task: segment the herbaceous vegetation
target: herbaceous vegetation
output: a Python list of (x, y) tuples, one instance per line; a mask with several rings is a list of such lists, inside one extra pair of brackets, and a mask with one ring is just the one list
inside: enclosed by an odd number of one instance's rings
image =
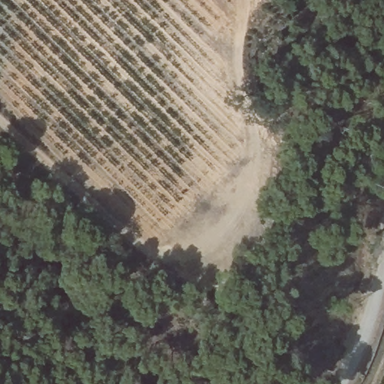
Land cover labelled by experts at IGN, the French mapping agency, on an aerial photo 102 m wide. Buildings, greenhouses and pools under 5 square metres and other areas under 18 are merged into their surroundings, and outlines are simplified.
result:
[(381, 280), (381, 285), (384, 286), (384, 223), (367, 229), (367, 246), (361, 247), (361, 271), (364, 277), (376, 276)]

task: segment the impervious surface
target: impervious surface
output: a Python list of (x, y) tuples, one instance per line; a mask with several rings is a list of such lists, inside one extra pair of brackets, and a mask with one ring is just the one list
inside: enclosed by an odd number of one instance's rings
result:
[(342, 360), (334, 364), (340, 384), (349, 384), (348, 379), (354, 378), (355, 373), (360, 373), (357, 366), (364, 346), (372, 339), (379, 307), (384, 297), (384, 286), (381, 285), (378, 291), (373, 291), (367, 297), (363, 312), (358, 315), (360, 339), (354, 343), (351, 351), (346, 352)]

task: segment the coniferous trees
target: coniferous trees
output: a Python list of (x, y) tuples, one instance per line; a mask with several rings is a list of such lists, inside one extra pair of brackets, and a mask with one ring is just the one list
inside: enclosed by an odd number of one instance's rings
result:
[(145, 243), (133, 243), (136, 237), (141, 237), (141, 228), (133, 217), (135, 202), (124, 190), (94, 189), (85, 186), (87, 174), (72, 159), (61, 160), (49, 168), (39, 162), (34, 150), (42, 142), (46, 129), (36, 118), (13, 117), (10, 118), (6, 130), (0, 126), (0, 384), (340, 384), (334, 364), (342, 360), (346, 352), (351, 351), (354, 343), (360, 339), (358, 315), (363, 312), (367, 297), (373, 291), (378, 291), (381, 285), (381, 280), (376, 276), (364, 277), (361, 271), (361, 247), (367, 246), (367, 229), (384, 223), (384, 0), (264, 0), (249, 16), (247, 24), (243, 48), (243, 90), (249, 94), (250, 109), (264, 118), (262, 126), (267, 127), (271, 133), (280, 130), (283, 132), (283, 141), (276, 153), (280, 171), (276, 177), (267, 178), (265, 186), (259, 189), (256, 201), (259, 222), (264, 223), (265, 219), (270, 217), (273, 219), (273, 225), (265, 229), (264, 234), (243, 237), (241, 243), (234, 247), (229, 270), (217, 270), (213, 264), (202, 265), (201, 253), (195, 246), (189, 246), (187, 249), (174, 247), (160, 256), (157, 238), (148, 238)]

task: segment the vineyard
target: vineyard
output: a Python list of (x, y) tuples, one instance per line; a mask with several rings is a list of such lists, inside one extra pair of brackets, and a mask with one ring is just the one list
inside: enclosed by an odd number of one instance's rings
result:
[(217, 270), (229, 270), (234, 247), (241, 243), (243, 237), (264, 234), (265, 229), (273, 225), (273, 219), (270, 217), (265, 219), (264, 223), (259, 222), (256, 201), (259, 189), (265, 186), (267, 178), (276, 177), (280, 171), (276, 153), (283, 141), (283, 132), (280, 130), (271, 133), (267, 127), (262, 126), (264, 118), (250, 109), (249, 94), (243, 90), (243, 48), (247, 24), (249, 16), (264, 0), (0, 0), (0, 126), (6, 130), (10, 118), (13, 117), (36, 118), (46, 129), (42, 142), (34, 150), (39, 162), (49, 168), (61, 160), (72, 159), (87, 174), (85, 186), (94, 189), (124, 190), (135, 202), (133, 217), (141, 228), (141, 237), (136, 237), (133, 243), (145, 243), (148, 238), (157, 238), (160, 256), (174, 247), (187, 249), (189, 246), (195, 246), (201, 253), (202, 265), (213, 264)]
[(384, 297), (379, 307), (372, 339), (364, 346), (357, 366), (360, 373), (355, 373), (354, 378), (348, 379), (349, 384), (384, 384)]

